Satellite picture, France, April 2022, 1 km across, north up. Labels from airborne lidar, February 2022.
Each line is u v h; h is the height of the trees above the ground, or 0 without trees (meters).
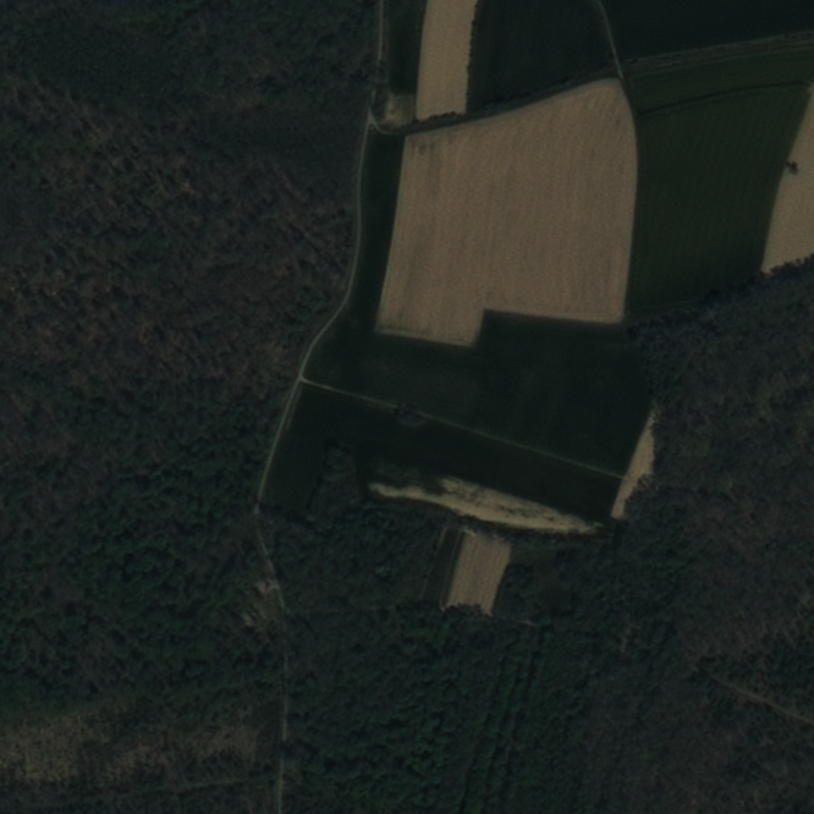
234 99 26
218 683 25
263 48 29
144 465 27
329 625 27
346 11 28
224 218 23
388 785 22
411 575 27
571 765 13
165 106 15
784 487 26
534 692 16
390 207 0
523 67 0
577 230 0
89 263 22
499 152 0
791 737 11
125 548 20
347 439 0
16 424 27
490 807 22
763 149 0
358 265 0
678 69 0
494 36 0
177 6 27
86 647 26
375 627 30
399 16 0
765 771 22
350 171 16
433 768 23
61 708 25
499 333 0
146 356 31
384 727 26
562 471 0
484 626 18
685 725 26
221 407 30
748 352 25
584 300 0
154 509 27
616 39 0
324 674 26
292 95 27
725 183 0
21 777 0
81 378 26
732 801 26
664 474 24
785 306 26
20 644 22
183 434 25
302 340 7
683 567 14
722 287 0
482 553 0
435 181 0
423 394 0
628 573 23
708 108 0
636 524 25
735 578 27
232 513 25
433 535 22
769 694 0
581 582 21
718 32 0
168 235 23
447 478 0
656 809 25
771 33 0
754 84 0
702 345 24
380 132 0
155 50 16
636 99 0
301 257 14
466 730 29
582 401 0
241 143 19
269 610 0
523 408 0
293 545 27
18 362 20
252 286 12
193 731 0
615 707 25
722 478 27
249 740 0
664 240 0
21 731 0
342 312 0
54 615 24
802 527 22
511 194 0
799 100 0
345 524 20
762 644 21
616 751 23
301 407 0
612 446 0
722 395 28
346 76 21
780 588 25
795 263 0
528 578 18
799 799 6
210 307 24
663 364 21
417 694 27
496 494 0
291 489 0
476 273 0
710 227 0
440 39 0
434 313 0
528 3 0
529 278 0
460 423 0
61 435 29
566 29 0
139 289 22
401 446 0
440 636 15
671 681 30
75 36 17
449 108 0
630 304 0
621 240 0
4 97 23
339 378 0
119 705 25
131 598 20
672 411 10
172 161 29
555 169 0
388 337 0
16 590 17
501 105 14
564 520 0
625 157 0
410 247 0
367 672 27
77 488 29
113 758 0
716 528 27
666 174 0
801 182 0
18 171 20
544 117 0
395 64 0
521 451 0
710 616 25
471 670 25
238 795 14
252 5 26
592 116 0
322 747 25
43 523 29
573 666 14
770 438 29
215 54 27
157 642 26
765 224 0
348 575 26
